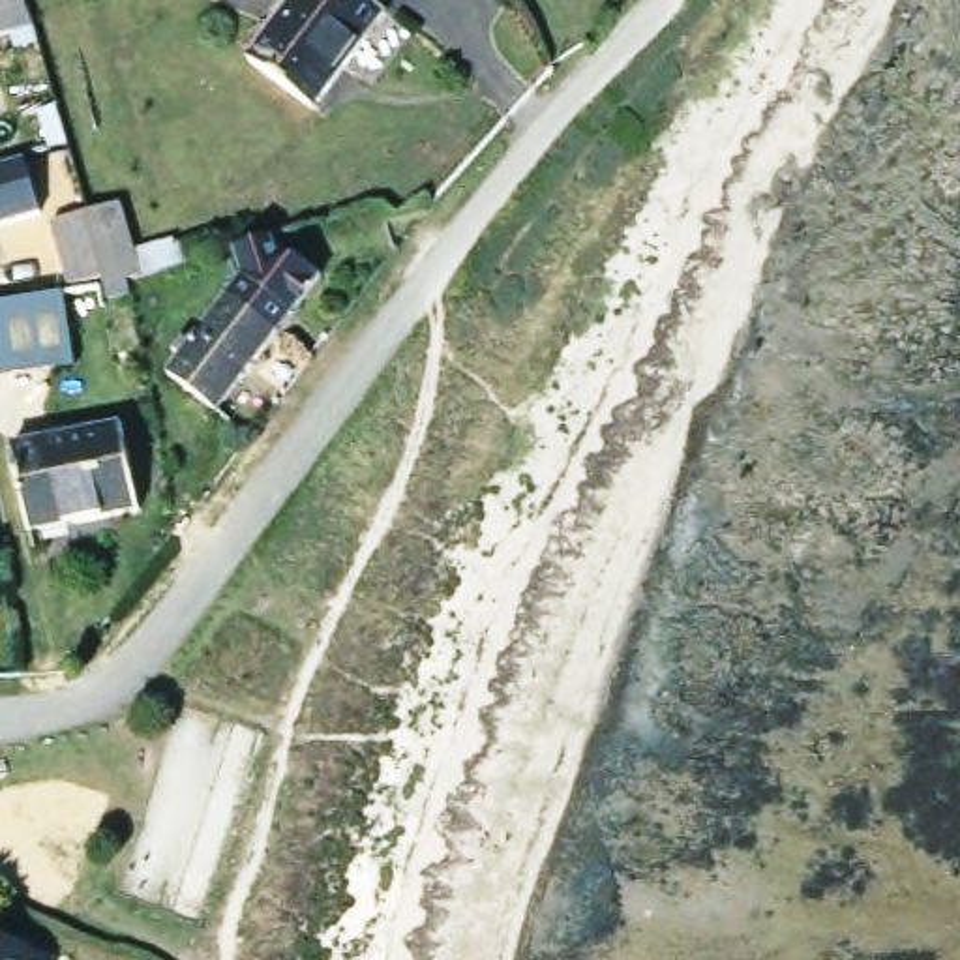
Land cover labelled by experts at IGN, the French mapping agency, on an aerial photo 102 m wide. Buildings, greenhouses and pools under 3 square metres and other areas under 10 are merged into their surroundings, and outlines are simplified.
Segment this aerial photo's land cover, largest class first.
<instances>
[{"label":"bare soil","instance_id":"1","mask_svg":"<svg viewBox=\"0 0 960 960\"><path fill-rule=\"evenodd\" d=\"M634 398L611 409V420L600 431V450L585 461L578 499L570 510H559L551 536L544 540L540 563L533 566L529 585L521 589L510 638L499 649L495 675L488 683L491 698L480 709V746L465 758L461 780L446 795L439 829L443 859L428 863L420 878L424 919L405 938L409 960H960V859L945 863L915 848L904 836L900 821L885 810V791L904 780V731L896 728L893 690L930 649L938 664L930 668V675H945L953 664H960V0H821L810 26H803L788 86L765 101L758 124L739 139L731 169L720 180V203L701 214L698 251L686 255L668 311L656 319L653 345L634 364ZM851 788L870 791V814L863 829H851L829 814L833 795ZM844 848H855V855L874 870L870 889L863 896L833 889L821 900H806L803 881L821 863H836Z\"/></svg>","mask_w":960,"mask_h":960},{"label":"herbaceous vegetation","instance_id":"2","mask_svg":"<svg viewBox=\"0 0 960 960\"><path fill-rule=\"evenodd\" d=\"M30 23L11 26L0 38V143H38V120L23 113L30 105H56L68 143V169L86 206L120 203L128 236L143 244L173 240L176 229L203 225L210 218L236 210H259L248 229L251 236H266L278 248L300 251L315 270L326 266L330 251L345 259H368L371 251H383V259L394 266L375 274L364 296L349 300V308L341 311H330L323 304V293L293 304L300 311L296 326H308L315 338H356L379 315V308L390 304L401 289L416 236L428 229H446L469 206L480 184L491 176V169L514 146L518 128H503V135L465 169V176L450 191H435L439 180L461 161V154L499 120V113L491 109V101L476 94L469 75H458L446 64L443 49L420 26L405 34V41L360 86L353 101L319 113H304L289 98H281L263 75L248 68V41H240L229 45L195 34L203 4V0H23ZM345 195L383 199L394 206L375 229L334 236L330 244L319 229H285V210H304ZM495 49L518 75L529 79V90L536 98L559 94V86L596 49L585 45V30L600 0H491ZM776 0H683L679 15L563 128V135L548 146L533 173L514 188L506 206L488 221V229L450 278L443 300L446 349L424 450L409 476L398 518L375 548L364 578L356 581L353 600L334 630L330 653L315 671L304 709L296 716L300 728L311 731H394L398 701L379 698L371 690L379 683H416L420 664L431 656V619L439 615L443 600L458 593L450 548H473L480 540L484 499L499 491L495 476L525 461L533 450V424H514L510 409L548 390V379L555 375L570 338H581L589 326L604 323L608 259L623 251L626 229L638 221L656 176L664 173V150L656 139L671 128L675 113L686 101L716 98L724 71L731 68L728 53L750 38L754 23H769ZM221 255L214 244H180V263L150 274L128 281L124 296H101V308H94L90 315L75 311V296L64 300L71 360L56 364L53 371L45 413L86 409L90 416L124 420L139 514L101 525L79 536H41L45 521L30 518L23 473L15 461V435L0 431V521H11L19 533V551L26 566L23 600L30 608L34 660L56 656L68 668L86 626H98V634L105 638L120 623L113 619V604L146 566V559L169 551L176 559V521L195 514L199 499L214 495V473L248 443L236 428H229V420L218 409L195 401L173 383L161 394V401L169 413V431L188 450V465L180 469V476H161L150 465V428L143 424L131 401L143 394V383L131 364L139 341L135 319H150L158 349L169 353L184 323L199 319L221 293ZM68 555L98 563L105 585L98 593L79 596L60 593L53 578ZM431 338L424 319L413 323V330L401 338V345L390 353L383 371L364 390L360 405L341 420V428L308 465L304 480L285 495V503L244 551L229 581L218 589L199 623L176 645L169 664L154 679H146L139 694L161 701L165 716L176 724L180 713H195L218 720L221 728L251 731L248 776L233 806V821L210 889L199 904V915H180L169 904H150L128 893V874L135 870L131 836L146 825V810L165 765V735L150 739L131 731L128 705L98 720L41 731L30 739L0 735V791L19 784L64 780L101 791L109 803V814L86 840L83 874L56 908L83 915L105 930L154 941L180 960H221L218 926L236 870L244 863V848L255 829V814L263 806L285 694L293 690L300 660L311 649L319 623L326 615V600L345 578L360 548V536L368 533L405 450ZM938 664L930 649L893 690L896 728L904 731V780L885 791V810L900 821L904 836L915 848L945 863L960 859V664H953L945 675H930V668ZM394 743H293L289 776L281 784L270 825L266 859L244 900L236 960H330L319 938L353 908L349 863L356 859V851L349 844V829L368 833L364 810L379 780V765L383 758H390ZM829 814L851 829H863L870 814V791L851 788L833 795ZM874 870L855 855V848H844L836 863H821L803 881L806 900H821L833 889L863 896L870 889ZM38 900L26 893L15 904L0 908V941H30V949L38 953L34 960H131L79 938L75 930L60 926V919L38 926L30 919V908Z\"/></svg>","mask_w":960,"mask_h":960},{"label":"pervious surface","instance_id":"3","mask_svg":"<svg viewBox=\"0 0 960 960\"><path fill-rule=\"evenodd\" d=\"M821 0H776L769 23H754L750 38L728 53L731 68L724 71L716 98L686 101L675 113L671 128L656 139L664 150V173L656 176L638 221L626 229L623 251L608 259L604 323L589 326L581 338H570L555 375L548 379V390L510 409L514 424H533V450L525 461L495 476L499 491L484 499L480 540L473 548H450L458 593L443 600L439 615L431 619V656L420 664L416 683H379L371 690L379 698L398 701L394 731H311L300 728L296 716L304 709L315 671L330 653L334 630L353 600L356 581L364 578L375 548L398 518L409 476L424 450L446 349L443 300L428 308L424 319L431 338L405 450L368 533L360 536V548L345 578L326 600V615L319 623L311 649L300 660L293 690L285 694L263 806L255 814V829L244 848V863L236 870L218 926L221 960H236L244 900L266 859L270 825L281 784L289 776L293 743H394L390 758H383L379 765V780L364 810L368 833L349 829V844L356 851V859L349 863L353 908L319 938L330 960H409L405 938L424 919L420 878L428 863L443 859L439 829L446 795L461 780L465 758L480 746V709L491 698L488 683L495 675L499 649L510 638L521 589L529 585L533 566L540 563L544 540L551 536L559 510H570L578 499L585 461L600 450V431L611 420V409L634 398V364L653 345L656 319L668 311L686 255L698 251L701 214L720 203V180L731 169L739 139L758 124L765 101L788 86L803 26H810ZM300 311L293 304L274 323V330L278 338H296L304 345V371L293 383L278 386H270L266 379H251L244 371L229 383L236 401L244 413L259 409L263 401H274L270 424L259 431L255 443H248L214 473V495L199 499L195 514L206 525H218L225 518L233 495H240L248 480L266 465L274 446L300 420L311 394L330 379V371L356 338H315L308 326H296ZM26 671L38 679L41 694L60 690L71 675L68 668L56 656L34 660ZM251 731L221 728L218 720L195 713H180L176 724L165 735V765L146 810V825L131 836L135 870L128 874V893L150 904H169L180 915H199V904L210 889L233 821V806L248 776ZM109 814V803L101 791L64 780L19 784L0 791V859H11L19 866L26 893L38 900L56 908L83 874L86 840Z\"/></svg>","mask_w":960,"mask_h":960},{"label":"impervious surface","instance_id":"4","mask_svg":"<svg viewBox=\"0 0 960 960\"><path fill-rule=\"evenodd\" d=\"M203 4H218L221 15L240 11V41H248V56L274 64V49L266 45L263 30L285 8V0H203ZM683 0H638L596 49L559 86V94L536 98L529 90V79L518 75L495 49L491 0H390L386 11H379L368 23V30L353 41V49L341 53L334 71L311 94L319 113L353 101L360 86L405 41V34L420 26L443 49L446 64L458 75H469L476 94L491 101V109L499 113V120L461 154V161L439 180L435 191H450L465 176V169L503 135V128H518L514 146L491 169V176L480 184L469 206L446 229H428L416 236L401 289L390 304L379 308V315L356 338L330 371V379L311 394L300 420L274 446L266 465L248 480L240 495H233L225 518L218 525H206L195 514L176 521V559L169 574L143 596V604L120 623L105 638L98 656L79 675H71L60 690L41 694L38 679L26 671H0V735L30 739L41 731L98 720L128 705L139 694L146 679H154L169 664L176 645L199 623L218 589L229 581L244 551L285 503V495L304 480L308 465L341 428V420L360 405L364 390L383 371L390 353L401 345V338L413 330V323L424 319L428 308L443 300L450 278L488 229V221L506 206L514 188L533 173L548 146L563 135V128L679 15ZM38 120V150L49 158V195L41 206L8 214L0 221V300L45 289H56L64 300L75 296V311L90 315L94 308H101V296L94 285H79L71 293L64 278H56L60 248L53 236V218L79 214L86 206L68 169V143L56 105H30L23 113ZM180 263V244L173 240L143 244L139 266L150 274ZM304 345L296 338H278L274 330L259 341L244 371L251 379H266L270 386H278L293 383L304 371ZM53 371L15 368L0 375V431L15 435L26 420L45 413ZM101 525V506L64 510L60 518L45 521L41 536H79Z\"/></svg>","mask_w":960,"mask_h":960},{"label":"building","instance_id":"5","mask_svg":"<svg viewBox=\"0 0 960 960\"><path fill-rule=\"evenodd\" d=\"M30 23L23 0H0V38L11 26ZM390 0H285V8L263 30L266 45L274 49V64L248 56V68L263 75L281 98H289L304 113H319L311 94L334 71L341 53L353 49V41L368 30V23L379 11H386ZM49 195V158L38 150V143H0V221L8 214L41 206ZM53 236L60 248L56 278H64L71 293L79 285H94L101 296H124L128 281L150 274L139 266L143 244L128 236L120 203L86 206L79 214L53 218ZM221 293L199 319L184 323L169 353L165 379L173 383L195 401L218 409L221 401H236L229 383L244 371L259 341L274 330V323L293 304L323 293L315 270L300 251L278 248L266 236H251L233 240L221 255ZM71 360L64 300L56 289H45L0 300V375L15 368L53 371L56 364ZM15 461L23 473L30 518L45 521L60 518L64 510L101 506V525L139 514L124 420L90 416L86 409L45 413L26 420L15 435ZM38 953L30 949V941H0V960H34Z\"/></svg>","mask_w":960,"mask_h":960},{"label":"brushwood","instance_id":"6","mask_svg":"<svg viewBox=\"0 0 960 960\"><path fill-rule=\"evenodd\" d=\"M638 0H600L585 30V45L596 49ZM195 34L229 45L240 41V11L221 15L218 4H203ZM394 206L383 199L345 195L304 210H285V229H319L330 244L334 236L375 229ZM259 210H236L210 218L203 225L176 229L173 240L180 244H214L221 255L233 240L251 236L248 229ZM394 266L383 259V251H371L368 259H345L330 251L326 266L315 270L323 293V304L330 311H341L349 308V300L364 296L375 274ZM139 341L131 364L143 383V394L131 401L143 424L150 428V465L161 476H180V469L188 465V450L169 431V413L161 401V394L173 383L165 379L169 353L158 349L150 319H135ZM229 420V428H236L248 443H255L259 431L270 424L274 401H263L259 409L244 413L236 401H221L218 409ZM26 566L19 551V533L11 521H0V671H26L34 660L30 608L23 600ZM176 559L169 551L146 559V566L113 604V619L120 623L143 604V596L169 574ZM60 593L79 596L98 593L105 585L98 563L68 555L53 578ZM105 638L98 634V626H86L68 668L71 675H79L98 656ZM131 731L150 739L165 735L176 724L165 716L161 701L139 694L128 705ZM26 893L19 866L11 859H0V908L15 904ZM30 919L38 926L60 919V926L75 930L79 938L131 960H180L154 941L105 930L83 915L56 908L38 900L30 908Z\"/></svg>","mask_w":960,"mask_h":960}]
</instances>
